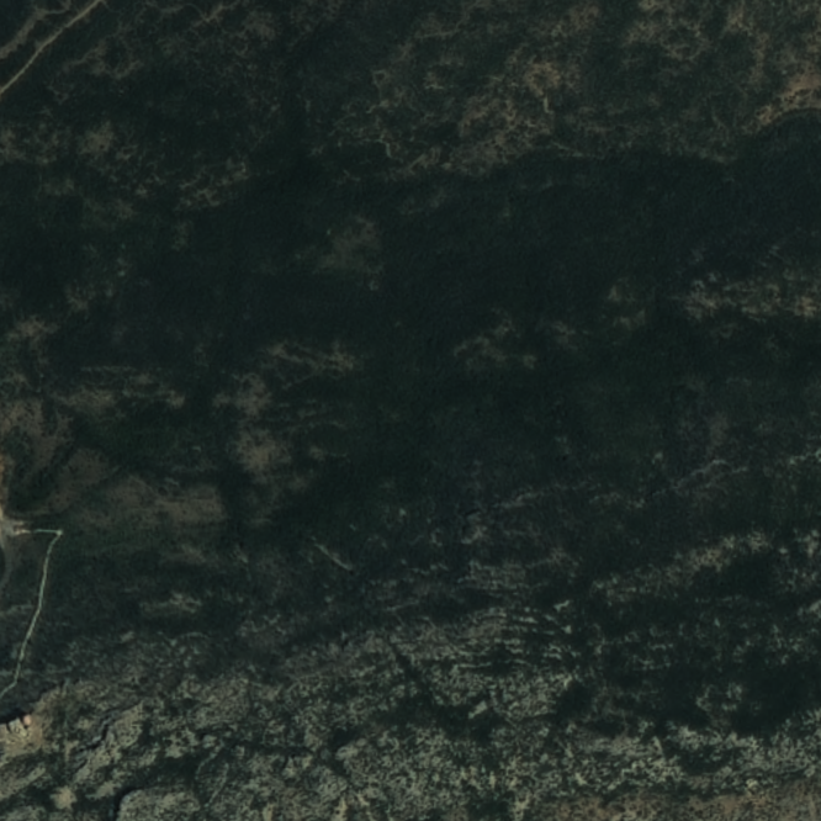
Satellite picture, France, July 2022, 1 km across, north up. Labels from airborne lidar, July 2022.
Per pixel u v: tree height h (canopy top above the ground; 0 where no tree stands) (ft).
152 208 23
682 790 20
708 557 0
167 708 26
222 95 19
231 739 31
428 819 21
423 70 20
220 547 22
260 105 19
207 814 22
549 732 18
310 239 24
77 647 0
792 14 21
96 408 0
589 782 21
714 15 22
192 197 18
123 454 19
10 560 0
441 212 19
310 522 19
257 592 23
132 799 0
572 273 17
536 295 22
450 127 21
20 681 23
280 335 18
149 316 18
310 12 22
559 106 17
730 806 0
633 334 18
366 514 18
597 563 21
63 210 22
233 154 19
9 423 0
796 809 0
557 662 18
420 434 23
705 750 20
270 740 31
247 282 19
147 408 18
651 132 21
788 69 26
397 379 24
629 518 18
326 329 19
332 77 21
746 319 19
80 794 21
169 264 24
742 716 18
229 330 19
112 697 0
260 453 0
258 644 0
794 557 24
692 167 23
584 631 20
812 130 23
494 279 19
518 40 19
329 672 0
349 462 23
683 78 18
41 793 22
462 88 18
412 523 26
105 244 25
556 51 19
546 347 19
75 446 23
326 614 0
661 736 31
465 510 22
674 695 18
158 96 24
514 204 36
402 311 22
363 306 26
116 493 0
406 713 19
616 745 0
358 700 0
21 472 24
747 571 26
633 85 17
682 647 17
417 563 18
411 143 23
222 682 0
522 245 20
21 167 19
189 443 18
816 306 20
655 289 24
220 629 21
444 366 28
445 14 18
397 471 25
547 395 23
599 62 18
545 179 18
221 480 29
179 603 0
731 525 18
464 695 22
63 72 19
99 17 26
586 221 19
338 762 23
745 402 21
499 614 0
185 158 17
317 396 23
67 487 0
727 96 23
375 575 18
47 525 25
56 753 19
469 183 28
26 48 18
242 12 18
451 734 19
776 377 19
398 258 19
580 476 17
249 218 20
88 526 0
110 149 18
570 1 19
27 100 19
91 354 18
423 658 0
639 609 23
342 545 22
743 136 18
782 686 20
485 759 25
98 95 19
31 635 0
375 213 19
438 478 20
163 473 20
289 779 19
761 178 17
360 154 18
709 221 19
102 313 18
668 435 23
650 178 24
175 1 18
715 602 20
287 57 25
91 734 0
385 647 0
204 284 18
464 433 21
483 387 18
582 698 18
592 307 17
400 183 22
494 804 28
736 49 18
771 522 19
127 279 24
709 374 18
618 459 18
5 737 0
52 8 20
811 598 19
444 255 21
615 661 22
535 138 23
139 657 0
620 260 23
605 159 22
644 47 24
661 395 25
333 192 24
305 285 28
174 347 19
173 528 0
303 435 18
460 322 18
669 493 20
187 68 18
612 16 19
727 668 18
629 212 21
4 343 27
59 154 19
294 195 20
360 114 19
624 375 21
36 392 19
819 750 19
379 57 18
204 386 22
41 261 21
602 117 20
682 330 18
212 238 21
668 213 20
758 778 20
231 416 24
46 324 23
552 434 20
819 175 19
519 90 20
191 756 20
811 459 19
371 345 20
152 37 18
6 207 24
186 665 0
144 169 22
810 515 17
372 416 34
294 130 26
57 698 0
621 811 18
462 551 20
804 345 23
